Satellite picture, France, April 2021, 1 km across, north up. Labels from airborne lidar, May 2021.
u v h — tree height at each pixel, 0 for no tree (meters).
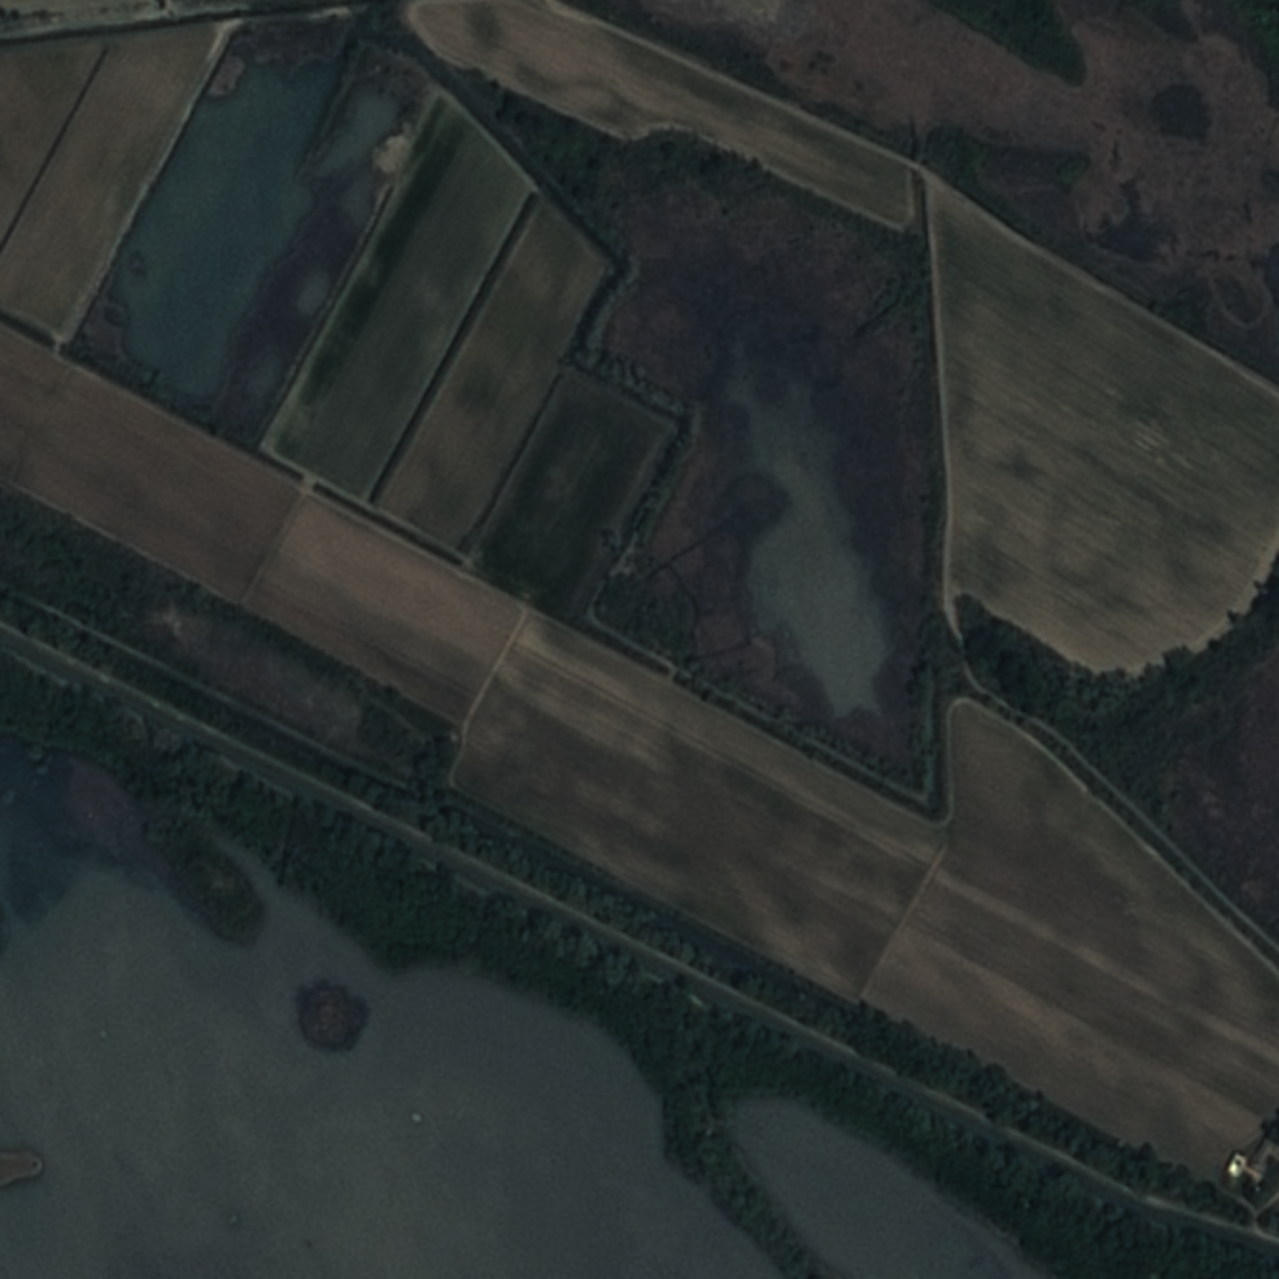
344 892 9
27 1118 0
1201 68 0
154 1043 0
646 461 0
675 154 9
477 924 12
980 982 0
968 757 0
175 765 20
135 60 0
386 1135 0
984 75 0
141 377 7
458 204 0
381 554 0
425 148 0
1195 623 0
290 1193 0
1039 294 0
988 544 0
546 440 0
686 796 0
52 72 0
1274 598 10
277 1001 0
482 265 0
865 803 0
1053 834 0
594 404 0
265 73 0
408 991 0
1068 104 0
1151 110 0
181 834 9
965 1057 10
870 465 0
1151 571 0
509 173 0
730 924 0
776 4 0
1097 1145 6
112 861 0
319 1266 0
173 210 0
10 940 0
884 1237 0
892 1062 15
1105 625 0
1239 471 0
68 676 0
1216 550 0
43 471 0
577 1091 0
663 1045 15
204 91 0
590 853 0
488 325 0
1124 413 0
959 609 7
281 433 0
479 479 0
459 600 0
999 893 0
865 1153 0
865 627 0
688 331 0
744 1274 0
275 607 0
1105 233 0
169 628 0
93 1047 0
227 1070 0
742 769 0
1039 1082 0
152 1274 0
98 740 8
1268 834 0
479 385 0
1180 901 0
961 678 6
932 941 0
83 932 0
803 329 0
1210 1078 0
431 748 6
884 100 0
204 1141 0
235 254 0
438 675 0
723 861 0
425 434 0
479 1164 0
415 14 0
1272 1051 0
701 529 0
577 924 0
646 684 0
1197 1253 16
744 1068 15
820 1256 0
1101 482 0
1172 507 0
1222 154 0
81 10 0
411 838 0
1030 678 11
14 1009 0
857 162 0
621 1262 0
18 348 0
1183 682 13
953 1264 0
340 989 0
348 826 17
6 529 9
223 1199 0
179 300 0
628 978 16
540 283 0
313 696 0
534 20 0
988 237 0
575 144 9
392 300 0
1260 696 0
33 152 0
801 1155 0
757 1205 10
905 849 0
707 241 0
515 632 0
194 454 0
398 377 0
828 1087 15
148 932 0
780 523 0
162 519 0
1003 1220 11
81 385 0
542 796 0
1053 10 7
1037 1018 0
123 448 0
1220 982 0
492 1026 0
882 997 0
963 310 0
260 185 0
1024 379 0
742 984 15
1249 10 6
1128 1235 18
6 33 0
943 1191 8
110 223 0
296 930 0
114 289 0
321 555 0
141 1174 0
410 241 0
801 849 0
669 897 0
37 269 0
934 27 0
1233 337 0
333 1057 0
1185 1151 0
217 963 0
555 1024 0
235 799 14
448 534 0
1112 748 8
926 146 8
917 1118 14
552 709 0
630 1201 0
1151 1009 0
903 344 0
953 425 0
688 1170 8
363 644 0
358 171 0
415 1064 0
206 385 0
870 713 0
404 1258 0
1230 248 0
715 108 0
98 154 0
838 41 0
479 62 0
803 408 0
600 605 7
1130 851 0
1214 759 0
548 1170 0
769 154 0
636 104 0
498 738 0
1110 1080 0
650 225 0
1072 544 0
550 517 0
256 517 0
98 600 12
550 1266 0
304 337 0
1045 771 0
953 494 0
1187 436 0
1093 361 0
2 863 0
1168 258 0
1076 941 0
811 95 0
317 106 0
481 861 17
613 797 0
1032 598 0
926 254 8
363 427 0
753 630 0
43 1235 0
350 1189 0
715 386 0
